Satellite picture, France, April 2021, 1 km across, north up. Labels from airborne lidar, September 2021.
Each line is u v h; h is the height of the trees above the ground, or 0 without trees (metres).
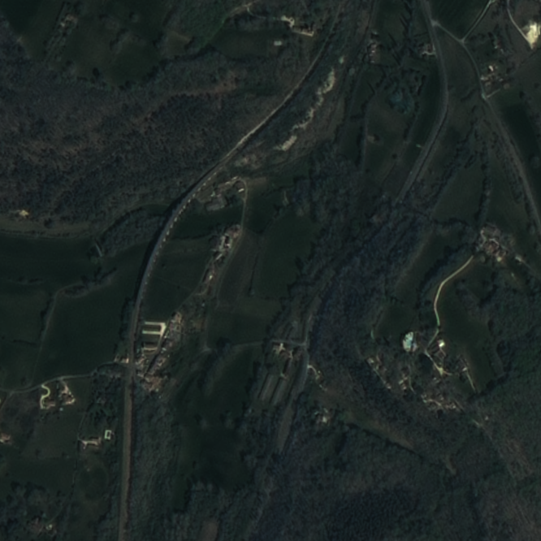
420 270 0
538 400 27
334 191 19
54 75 18
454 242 0
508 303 22
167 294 0
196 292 0
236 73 18
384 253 14
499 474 20
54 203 7
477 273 0
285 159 14
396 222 11
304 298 9
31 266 0
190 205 14
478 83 0
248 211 0
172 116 24
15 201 10
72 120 18
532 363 22
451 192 0
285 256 0
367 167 0
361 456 20
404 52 15
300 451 12
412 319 0
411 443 22
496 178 0
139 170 22
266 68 18
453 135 0
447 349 0
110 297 0
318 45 15
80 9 17
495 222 0
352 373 16
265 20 15
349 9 11
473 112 6
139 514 17
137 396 24
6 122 18
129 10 0
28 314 0
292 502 16
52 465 0
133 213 13
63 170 10
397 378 21
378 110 0
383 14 0
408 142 11
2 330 0
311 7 20
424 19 0
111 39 0
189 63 22
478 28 0
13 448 0
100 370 8
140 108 18
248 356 0
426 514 19
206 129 16
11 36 17
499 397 22
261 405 0
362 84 0
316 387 0
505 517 25
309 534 16
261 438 18
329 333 10
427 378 16
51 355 0
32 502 19
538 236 9
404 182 0
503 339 23
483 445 16
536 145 0
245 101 11
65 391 0
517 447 27
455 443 16
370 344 21
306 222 0
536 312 24
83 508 0
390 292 9
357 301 20
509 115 0
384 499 22
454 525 27
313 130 17
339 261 8
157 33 0
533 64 0
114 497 12
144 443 18
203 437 0
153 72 0
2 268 0
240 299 0
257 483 20
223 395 0
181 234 0
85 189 23
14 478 0
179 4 17
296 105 7
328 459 9
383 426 19
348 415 0
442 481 15
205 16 22
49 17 0
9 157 20
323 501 12
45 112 19
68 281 0
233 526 9
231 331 0
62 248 0
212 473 0
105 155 6
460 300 17
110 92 22
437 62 0
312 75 8
